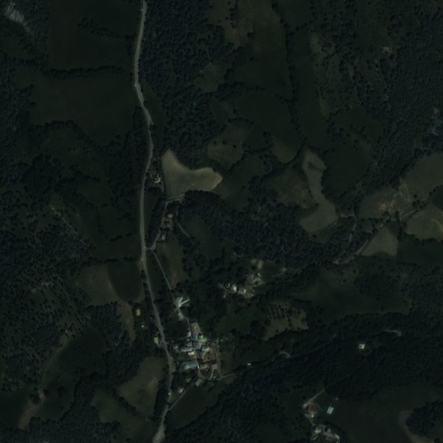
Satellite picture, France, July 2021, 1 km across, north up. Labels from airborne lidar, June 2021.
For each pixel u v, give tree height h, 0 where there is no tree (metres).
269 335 0
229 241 0
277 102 0
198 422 13
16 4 7
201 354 0
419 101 13
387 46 0
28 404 0
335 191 0
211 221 15
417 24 0
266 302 23
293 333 21
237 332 22
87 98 0
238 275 12
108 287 0
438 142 13
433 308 12
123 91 0
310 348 12
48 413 0
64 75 16
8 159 16
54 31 0
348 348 30
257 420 13
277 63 0
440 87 14
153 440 0
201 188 0
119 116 0
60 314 14
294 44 14
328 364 28
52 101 0
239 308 9
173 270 0
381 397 0
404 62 15
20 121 18
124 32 0
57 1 0
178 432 10
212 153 0
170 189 0
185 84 6
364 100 12
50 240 16
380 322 10
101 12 0
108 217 0
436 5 0
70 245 9
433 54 10
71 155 0
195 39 16
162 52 12
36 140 24
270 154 10
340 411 0
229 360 0
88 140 16
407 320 20
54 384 0
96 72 13
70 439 13
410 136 14
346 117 0
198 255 10
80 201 22
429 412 24
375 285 14
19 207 12
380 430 0
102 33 12
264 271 0
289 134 0
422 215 0
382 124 0
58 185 17
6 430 17
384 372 29
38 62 14
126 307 0
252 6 0
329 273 0
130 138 16
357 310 0
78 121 0
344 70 8
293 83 17
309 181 0
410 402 0
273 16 0
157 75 14
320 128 0
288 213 16
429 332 23
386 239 0
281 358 12
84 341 0
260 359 6
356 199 10
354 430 0
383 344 21
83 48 0
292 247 21
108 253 0
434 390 0
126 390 0
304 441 14
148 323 8
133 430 0
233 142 0
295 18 0
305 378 23
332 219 0
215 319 7
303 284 10
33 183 24
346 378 28
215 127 14
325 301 0
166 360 9
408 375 23
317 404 0
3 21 11
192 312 16
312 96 0
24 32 8
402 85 13
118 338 16
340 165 0
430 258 0
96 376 22
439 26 13
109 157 14
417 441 0
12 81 13
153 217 13
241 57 17
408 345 21
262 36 0
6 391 10
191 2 16
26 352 13
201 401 0
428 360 10
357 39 12
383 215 7
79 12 0
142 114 12
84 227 0
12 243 18
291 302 12
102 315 13
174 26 17
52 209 0
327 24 10
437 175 0
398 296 0
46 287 16
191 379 8
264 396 19
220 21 7
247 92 7
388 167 16
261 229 18
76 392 15
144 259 0
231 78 13
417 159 9
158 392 7
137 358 15
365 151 0
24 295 18
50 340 14
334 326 14
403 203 0
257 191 12
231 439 12
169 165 0
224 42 13
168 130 17
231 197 0
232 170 12
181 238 10
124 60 0
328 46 6
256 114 0
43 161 23
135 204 0
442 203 0
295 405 0
